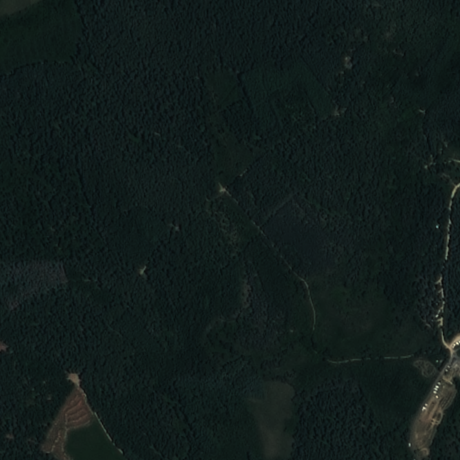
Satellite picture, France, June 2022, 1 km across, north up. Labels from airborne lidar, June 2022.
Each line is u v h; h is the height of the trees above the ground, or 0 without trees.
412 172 14
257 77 28
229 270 20
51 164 23
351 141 16
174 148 20
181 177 24
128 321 20
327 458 18
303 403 9
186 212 26
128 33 16
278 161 11
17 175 11
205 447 25
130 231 19
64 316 20
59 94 19
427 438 0
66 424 0
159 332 26
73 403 0
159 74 23
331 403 22
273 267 16
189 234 18
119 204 19
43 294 13
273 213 13
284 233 16
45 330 21
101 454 0
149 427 21
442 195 17
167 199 22
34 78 19
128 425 22
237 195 15
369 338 0
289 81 19
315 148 18
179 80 23
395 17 20
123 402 13
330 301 0
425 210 24
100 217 26
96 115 19
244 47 23
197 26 21
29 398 14
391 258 14
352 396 17
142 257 18
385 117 21
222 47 29
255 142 8
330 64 20
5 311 20
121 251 19
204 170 24
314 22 27
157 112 25
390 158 21
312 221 12
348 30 16
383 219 21
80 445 0
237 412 27
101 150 24
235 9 23
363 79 21
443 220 21
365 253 17
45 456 13
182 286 29
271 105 30
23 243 18
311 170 21
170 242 11
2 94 19
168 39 25
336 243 11
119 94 21
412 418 7
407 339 0
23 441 21
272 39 18
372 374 6
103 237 16
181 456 18
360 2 18
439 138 11
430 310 14
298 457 12
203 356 25
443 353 12
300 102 8
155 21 25
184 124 15
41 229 13
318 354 7
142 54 24
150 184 20
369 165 23
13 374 17
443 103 28
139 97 27
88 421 0
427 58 15
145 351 13
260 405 0
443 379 0
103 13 23
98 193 22
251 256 15
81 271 22
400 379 7
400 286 18
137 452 18
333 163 20
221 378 18
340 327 0
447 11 25
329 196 15
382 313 0
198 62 25
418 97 21
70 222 21
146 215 22
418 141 14
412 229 19
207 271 21
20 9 0
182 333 14
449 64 21
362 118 22
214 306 25
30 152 10
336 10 23
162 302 15
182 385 30
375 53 13
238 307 22
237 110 19
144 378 25
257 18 23
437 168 16
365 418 24
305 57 23
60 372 17
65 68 18
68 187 14
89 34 21
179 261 31
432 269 17
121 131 27
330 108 15
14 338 19
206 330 24
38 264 14
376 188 28
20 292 13
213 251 11
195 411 29
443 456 8
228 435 8
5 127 8
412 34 21
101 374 29
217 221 7
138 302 24
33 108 18
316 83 17
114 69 24
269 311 14
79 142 15
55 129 17
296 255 12
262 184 13
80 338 26
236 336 12
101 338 24
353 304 9
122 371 28
